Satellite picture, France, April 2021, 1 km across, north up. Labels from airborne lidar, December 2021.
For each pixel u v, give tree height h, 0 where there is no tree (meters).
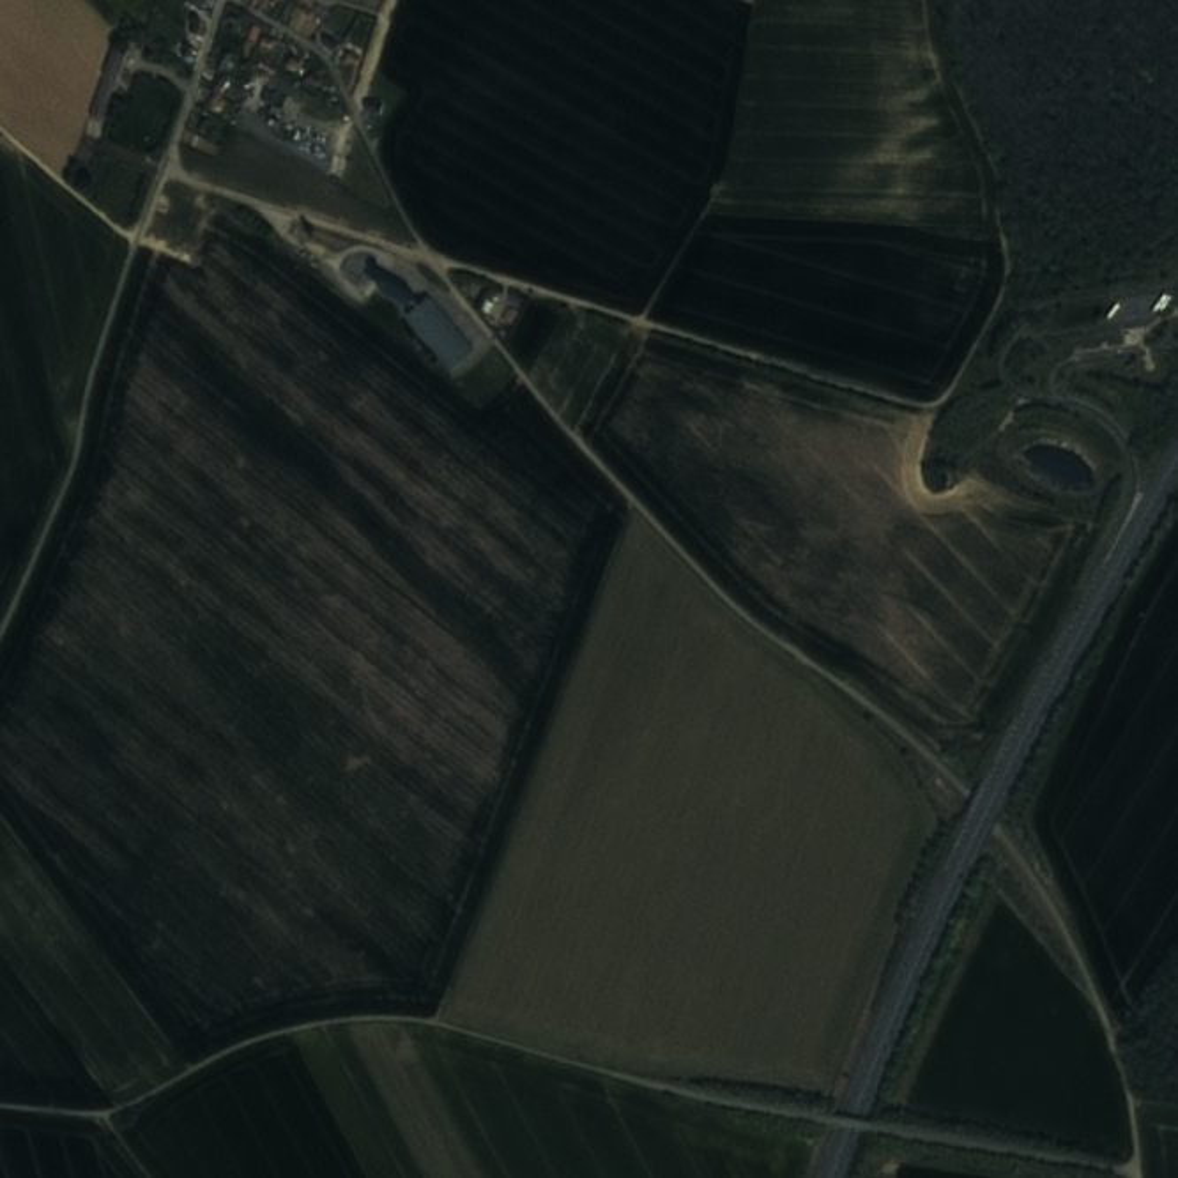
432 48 0
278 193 0
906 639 0
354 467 0
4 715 0
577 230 0
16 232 0
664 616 0
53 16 0
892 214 0
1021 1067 0
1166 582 0
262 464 0
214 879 0
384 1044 0
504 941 0
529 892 0
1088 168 22
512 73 0
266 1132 0
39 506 0
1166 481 0
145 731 0
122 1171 0
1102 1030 0
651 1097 0
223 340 0
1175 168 15
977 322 0
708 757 0
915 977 0
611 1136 0
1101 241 11
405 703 0
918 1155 12
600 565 0
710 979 0
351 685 0
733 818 0
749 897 0
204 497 0
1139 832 0
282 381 0
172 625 0
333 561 0
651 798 0
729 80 0
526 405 0
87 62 0
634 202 0
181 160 0
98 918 0
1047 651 0
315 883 0
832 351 0
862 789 0
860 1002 0
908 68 0
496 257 0
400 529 0
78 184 14
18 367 0
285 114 0
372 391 0
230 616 0
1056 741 11
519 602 0
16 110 0
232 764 0
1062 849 0
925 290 0
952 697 0
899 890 0
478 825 0
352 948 0
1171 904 0
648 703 0
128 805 0
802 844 0
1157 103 19
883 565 0
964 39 18
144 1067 0
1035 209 18
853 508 0
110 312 0
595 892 0
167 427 0
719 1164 0
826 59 0
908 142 0
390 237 0
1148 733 0
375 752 0
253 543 0
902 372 0
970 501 0
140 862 0
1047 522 0
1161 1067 17
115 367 0
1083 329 0
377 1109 0
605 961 0
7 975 0
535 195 0
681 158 0
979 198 0
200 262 0
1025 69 22
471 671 0
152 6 0
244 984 0
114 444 0
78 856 0
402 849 0
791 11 0
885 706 0
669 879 0
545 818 0
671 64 0
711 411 0
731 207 0
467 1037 0
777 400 0
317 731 0
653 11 0
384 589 0
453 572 0
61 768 0
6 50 0
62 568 0
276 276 0
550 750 0
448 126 0
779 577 0
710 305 0
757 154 0
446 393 0
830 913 0
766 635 0
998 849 0
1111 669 0
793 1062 0
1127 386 10
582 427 0
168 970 0
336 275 0
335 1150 0
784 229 0
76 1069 0
